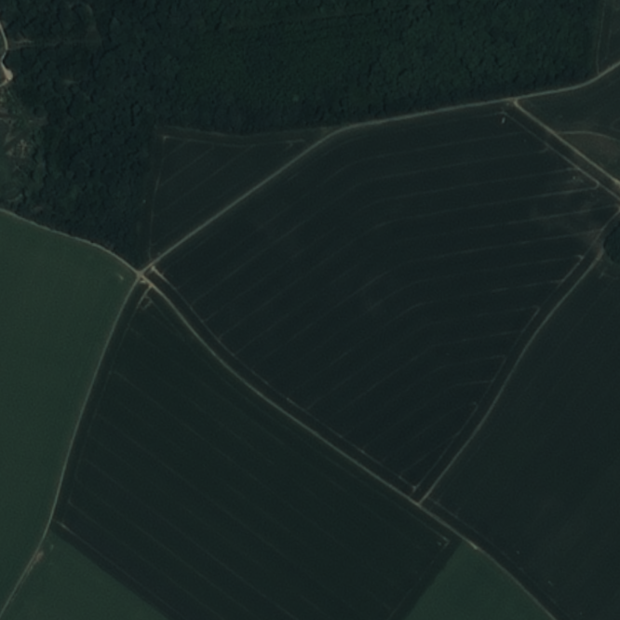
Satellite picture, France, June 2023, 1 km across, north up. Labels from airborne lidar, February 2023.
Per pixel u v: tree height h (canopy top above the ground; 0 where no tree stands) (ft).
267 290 0
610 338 0
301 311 0
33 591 0
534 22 66
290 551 0
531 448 0
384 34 54
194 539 0
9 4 67
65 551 0
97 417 0
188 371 0
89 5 84
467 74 62
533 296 0
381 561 0
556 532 0
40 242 0
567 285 0
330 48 56
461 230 0
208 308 0
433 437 0
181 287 0
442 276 0
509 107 0
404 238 0
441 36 83
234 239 0
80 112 93
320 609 0
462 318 0
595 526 0
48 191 43
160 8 66
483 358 0
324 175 0
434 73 73
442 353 0
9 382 0
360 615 0
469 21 62
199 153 0
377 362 0
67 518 0
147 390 0
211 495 0
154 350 0
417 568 0
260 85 54
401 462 0
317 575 0
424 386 0
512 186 0
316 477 0
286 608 0
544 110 0
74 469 0
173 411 0
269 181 0
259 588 0
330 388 0
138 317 0
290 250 0
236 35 41
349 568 0
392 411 0
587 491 0
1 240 0
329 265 0
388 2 71
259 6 71
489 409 0
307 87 50
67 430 0
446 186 0
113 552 0
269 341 0
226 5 68
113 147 81
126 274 0
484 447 0
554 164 0
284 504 0
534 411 0
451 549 0
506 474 0
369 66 43
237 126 72
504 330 0
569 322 0
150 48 72
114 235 43
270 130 34
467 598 0
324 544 0
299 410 0
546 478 0
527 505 0
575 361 0
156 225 0
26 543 0
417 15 82
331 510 0
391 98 68
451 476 0
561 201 0
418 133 0
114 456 0
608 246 47
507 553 0
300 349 0
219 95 49
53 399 0
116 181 85
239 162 0
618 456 0
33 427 0
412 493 0
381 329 0
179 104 51
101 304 0
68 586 0
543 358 0
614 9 0
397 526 0
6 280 0
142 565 0
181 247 0
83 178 68
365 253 0
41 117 83
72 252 0
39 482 0
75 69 72
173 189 0
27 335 0
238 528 0
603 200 0
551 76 38
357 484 0
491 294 0
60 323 0
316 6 24
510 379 0
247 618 0
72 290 0
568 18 57
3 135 0
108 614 0
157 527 0
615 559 0
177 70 82
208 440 0
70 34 27
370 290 0
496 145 0
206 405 0
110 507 0
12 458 0
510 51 61
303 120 51
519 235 0
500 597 0
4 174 0
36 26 83
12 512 0
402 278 0
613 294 0
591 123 0
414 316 0
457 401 0
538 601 0
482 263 0
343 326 0
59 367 0
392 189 0
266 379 0
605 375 0
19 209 44
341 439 0
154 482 0
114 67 90
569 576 0
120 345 0
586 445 0
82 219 36
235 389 0
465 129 0
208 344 0
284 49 54
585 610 0
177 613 0
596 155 0
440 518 0
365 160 0
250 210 0
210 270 0
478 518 0
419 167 0
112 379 0
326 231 0
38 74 66
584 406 0
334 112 58
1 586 0
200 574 0
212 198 0
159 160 0
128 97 82
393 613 0
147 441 0
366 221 0
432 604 0
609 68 0
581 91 0
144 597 0
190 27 80
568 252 0
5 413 0
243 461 0
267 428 0
